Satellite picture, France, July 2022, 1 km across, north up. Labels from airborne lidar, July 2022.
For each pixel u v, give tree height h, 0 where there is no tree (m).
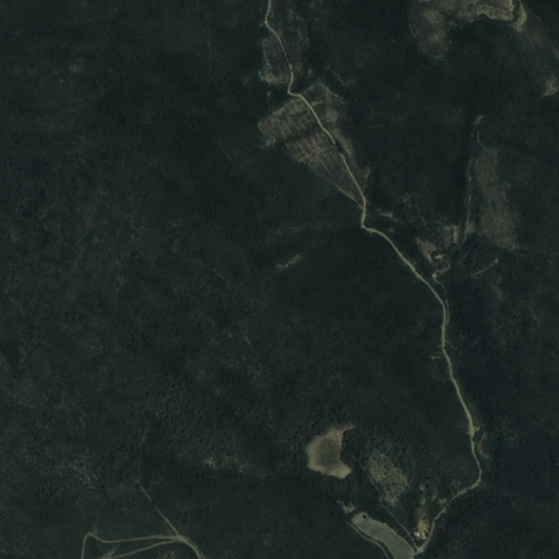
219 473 8
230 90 8
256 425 7
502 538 6
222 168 6
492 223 0
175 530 0
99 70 6
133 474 7
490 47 6
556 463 6
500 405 6
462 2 0
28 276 0
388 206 9
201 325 11
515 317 8
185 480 6
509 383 6
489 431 6
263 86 5
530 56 0
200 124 7
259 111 6
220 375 6
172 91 7
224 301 13
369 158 6
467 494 6
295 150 0
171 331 6
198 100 6
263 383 6
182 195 6
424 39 0
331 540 8
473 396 7
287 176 5
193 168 7
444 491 11
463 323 7
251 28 6
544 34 0
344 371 6
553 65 0
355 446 11
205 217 6
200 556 0
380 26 6
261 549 6
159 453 10
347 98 6
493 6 0
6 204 7
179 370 6
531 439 6
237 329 6
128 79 7
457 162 6
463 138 7
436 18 0
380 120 6
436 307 6
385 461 6
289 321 6
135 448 12
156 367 7
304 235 6
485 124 6
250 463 6
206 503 7
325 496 10
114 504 7
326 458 0
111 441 6
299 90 6
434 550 7
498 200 0
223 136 6
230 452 9
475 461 8
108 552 0
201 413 11
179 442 6
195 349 6
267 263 6
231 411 7
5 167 10
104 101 6
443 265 8
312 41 9
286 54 6
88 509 7
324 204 5
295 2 6
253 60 5
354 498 7
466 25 6
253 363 9
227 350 6
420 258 5
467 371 6
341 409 12
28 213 5
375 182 8
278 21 8
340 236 6
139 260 7
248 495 6
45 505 8
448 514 6
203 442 13
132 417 8
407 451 10
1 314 0
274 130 0
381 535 0
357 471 6
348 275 5
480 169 0
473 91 7
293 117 0
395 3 7
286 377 6
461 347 8
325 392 6
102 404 6
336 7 6
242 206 6
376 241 5
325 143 0
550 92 0
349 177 0
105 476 7
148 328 7
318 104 0
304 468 6
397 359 6
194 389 7
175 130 7
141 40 6
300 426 8
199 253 6
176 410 9
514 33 0
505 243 0
